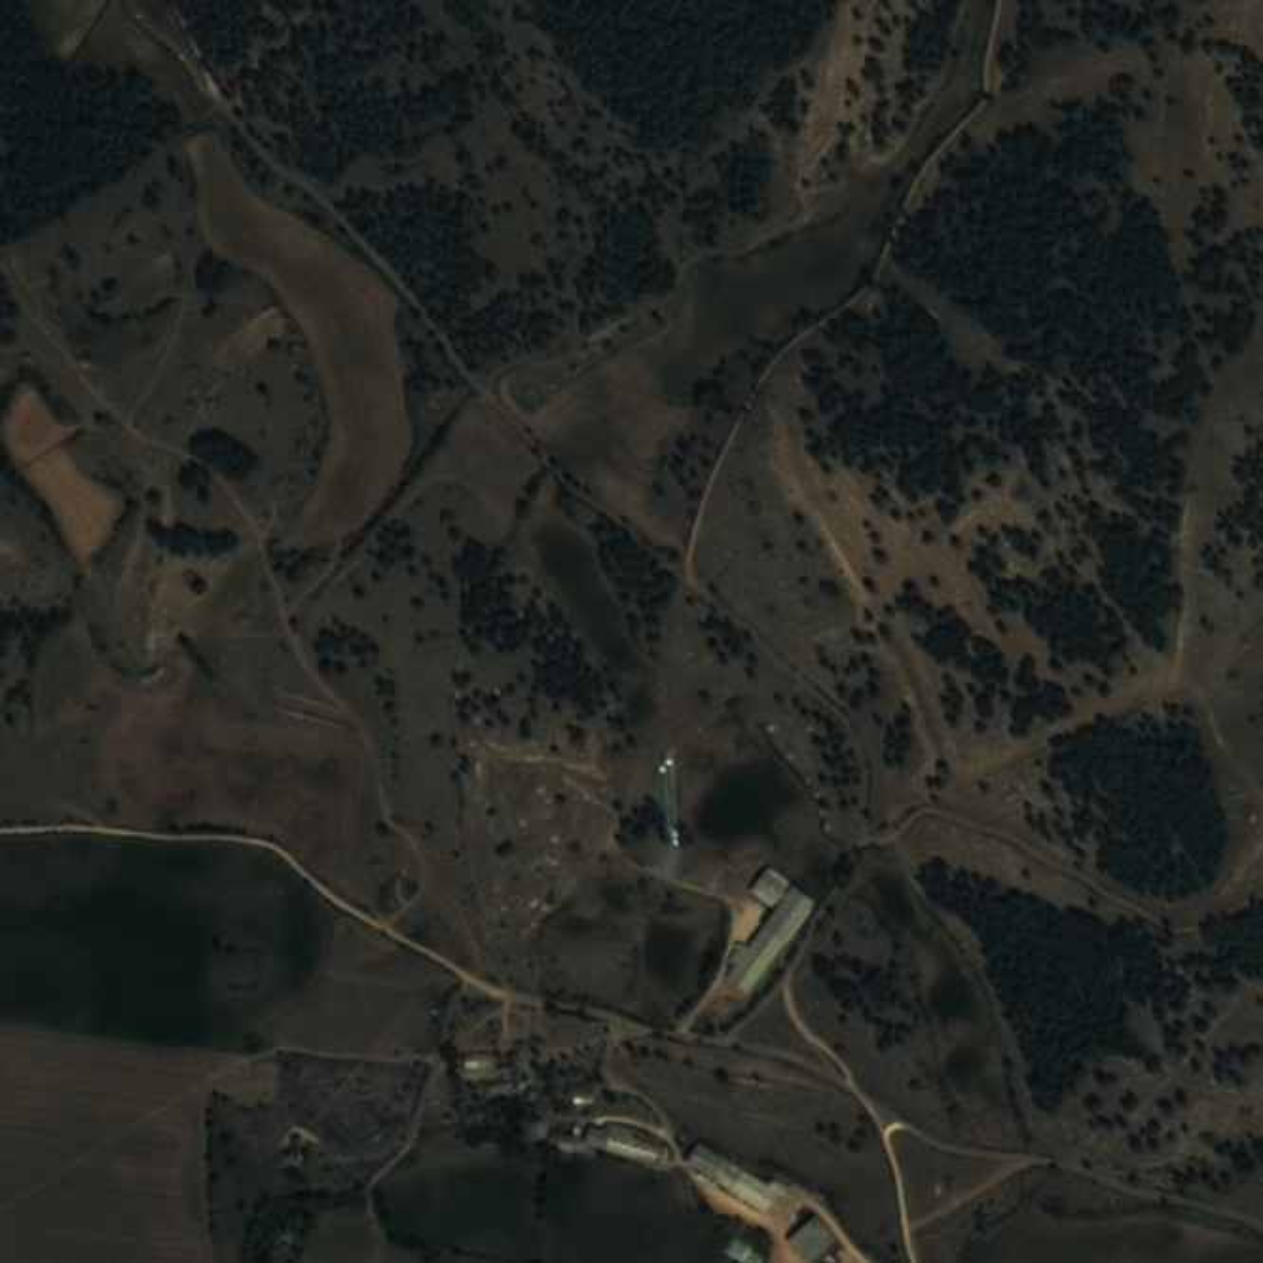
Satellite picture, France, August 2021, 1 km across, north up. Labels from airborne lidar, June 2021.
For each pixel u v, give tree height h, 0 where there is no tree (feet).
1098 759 45
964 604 0
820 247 0
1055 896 0
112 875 0
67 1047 0
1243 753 0
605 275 46
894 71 0
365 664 26
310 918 0
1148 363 40
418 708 0
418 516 0
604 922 0
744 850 0
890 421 38
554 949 0
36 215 59
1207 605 0
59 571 0
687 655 0
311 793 0
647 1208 0
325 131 43
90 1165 0
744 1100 0
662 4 47
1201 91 0
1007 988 48
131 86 41
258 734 0
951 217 38
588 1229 0
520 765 0
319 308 0
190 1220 0
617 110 43
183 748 0
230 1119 0
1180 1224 0
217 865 0
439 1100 0
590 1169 0
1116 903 0
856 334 32
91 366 0
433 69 36
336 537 0
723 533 0
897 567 0
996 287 39
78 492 0
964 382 35
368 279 0
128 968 0
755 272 0
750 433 0
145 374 0
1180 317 32
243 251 0
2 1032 0
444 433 20
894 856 0
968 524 0
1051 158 38
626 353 0
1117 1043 47
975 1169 0
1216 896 0
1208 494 0
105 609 0
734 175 38
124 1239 0
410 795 0
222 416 0
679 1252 0
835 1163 0
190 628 0
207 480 35
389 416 0
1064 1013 52
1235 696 0
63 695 0
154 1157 0
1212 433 0
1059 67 0
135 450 0
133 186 0
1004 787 0
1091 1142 0
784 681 0
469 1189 0
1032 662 32
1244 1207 0
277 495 0
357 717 0
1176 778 51
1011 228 39
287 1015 0
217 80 32
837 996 51
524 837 0
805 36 43
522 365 0
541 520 0
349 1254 0
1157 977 40
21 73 62
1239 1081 21
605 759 0
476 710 25
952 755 0
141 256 0
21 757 0
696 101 45
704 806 0
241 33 57
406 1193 0
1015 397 36
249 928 0
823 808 31
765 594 0
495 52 37
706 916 0
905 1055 0
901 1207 0
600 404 0
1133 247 44
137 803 0
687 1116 0
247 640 0
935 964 0
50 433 0
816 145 0
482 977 0
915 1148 0
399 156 30
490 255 0
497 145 0
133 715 0
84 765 0
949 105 0
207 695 0
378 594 0
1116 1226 0
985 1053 0
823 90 0
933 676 0
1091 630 41
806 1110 0
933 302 0
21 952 0
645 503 0
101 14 0
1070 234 30
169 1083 0
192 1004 0
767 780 0
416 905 0
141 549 0
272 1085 0
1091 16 36
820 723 33
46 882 0
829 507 0
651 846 0
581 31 48
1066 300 40
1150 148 0
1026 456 34
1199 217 29
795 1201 0
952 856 0
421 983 0
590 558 0
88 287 0
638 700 0
